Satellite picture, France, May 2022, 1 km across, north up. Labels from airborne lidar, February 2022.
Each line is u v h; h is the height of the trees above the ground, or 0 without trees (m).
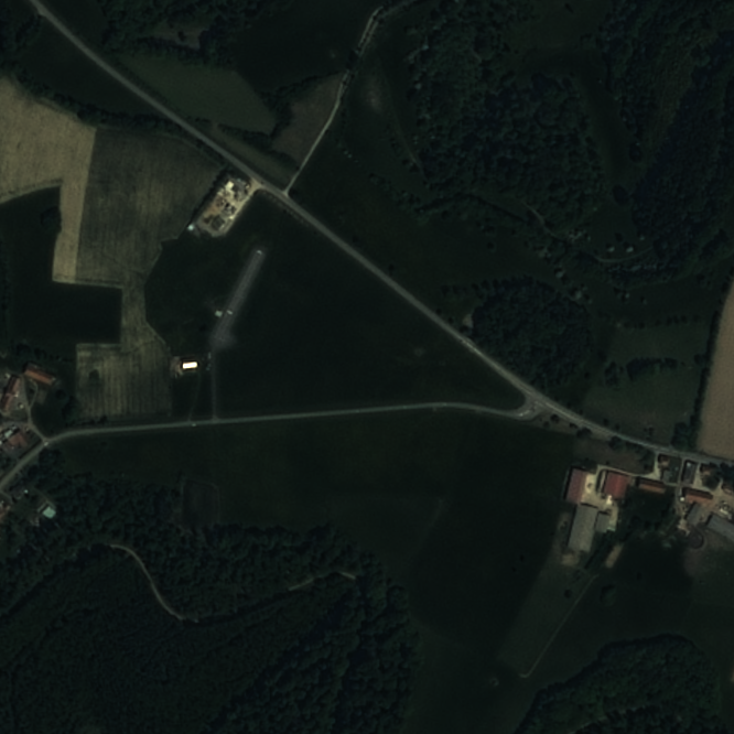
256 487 0
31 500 8
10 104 0
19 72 12
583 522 0
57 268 0
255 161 0
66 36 0
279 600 19
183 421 0
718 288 0
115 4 23
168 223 0
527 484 0
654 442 0
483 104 9
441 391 0
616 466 0
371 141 0
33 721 20
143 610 18
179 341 0
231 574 28
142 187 0
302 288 0
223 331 0
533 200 24
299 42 0
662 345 0
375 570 19
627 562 0
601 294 0
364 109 0
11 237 0
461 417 0
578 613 0
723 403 0
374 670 34
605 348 0
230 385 0
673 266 11
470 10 12
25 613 21
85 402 0
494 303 20
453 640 0
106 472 0
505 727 0
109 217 0
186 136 10
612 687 27
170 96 0
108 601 18
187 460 0
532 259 0
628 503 10
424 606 0
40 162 0
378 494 0
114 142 0
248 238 0
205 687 15
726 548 0
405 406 0
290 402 0
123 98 0
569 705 29
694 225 9
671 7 23
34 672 22
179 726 16
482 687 0
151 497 7
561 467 0
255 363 0
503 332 8
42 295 0
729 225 0
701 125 26
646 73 22
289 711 37
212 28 0
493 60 28
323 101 0
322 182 0
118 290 0
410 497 0
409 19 0
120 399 0
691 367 0
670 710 31
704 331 0
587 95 0
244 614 17
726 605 0
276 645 15
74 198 0
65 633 21
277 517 0
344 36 0
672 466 0
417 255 0
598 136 0
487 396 0
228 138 0
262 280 0
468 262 0
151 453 0
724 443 0
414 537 0
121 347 0
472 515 0
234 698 21
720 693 12
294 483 0
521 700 0
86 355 0
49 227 14
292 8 0
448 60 29
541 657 0
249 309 0
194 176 0
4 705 17
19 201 0
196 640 16
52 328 0
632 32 27
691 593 0
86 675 20
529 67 0
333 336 0
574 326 27
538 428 0
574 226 12
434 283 0
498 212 15
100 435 0
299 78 0
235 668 18
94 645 21
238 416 0
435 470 0
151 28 21
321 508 0
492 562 0
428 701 0
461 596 0
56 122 0
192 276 0
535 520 0
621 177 0
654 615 0
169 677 15
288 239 0
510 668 0
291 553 30
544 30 0
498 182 31
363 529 0
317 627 18
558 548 0
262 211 0
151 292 0
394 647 29
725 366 0
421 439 0
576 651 0
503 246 0
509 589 0
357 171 0
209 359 0
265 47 0
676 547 0
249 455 0
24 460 0
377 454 0
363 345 0
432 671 0
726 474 21
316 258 0
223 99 0
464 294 12
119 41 28
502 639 0
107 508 29
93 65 0
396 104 0
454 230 0
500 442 0
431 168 25
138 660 21
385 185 11
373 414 0
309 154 0
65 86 0
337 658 38
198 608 23
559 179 20
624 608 0
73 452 0
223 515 0
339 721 19
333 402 0
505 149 30
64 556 24
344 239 0
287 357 0
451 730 0
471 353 0
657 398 0
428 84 15
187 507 0
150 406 0
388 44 0
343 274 0
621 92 20
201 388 0
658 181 19
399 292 0
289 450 0
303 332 0
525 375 20
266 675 36
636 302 0
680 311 0
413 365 0
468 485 0
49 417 0
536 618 0
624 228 0
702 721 34
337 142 9
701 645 0
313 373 0
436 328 0
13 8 0
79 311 0
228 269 0
